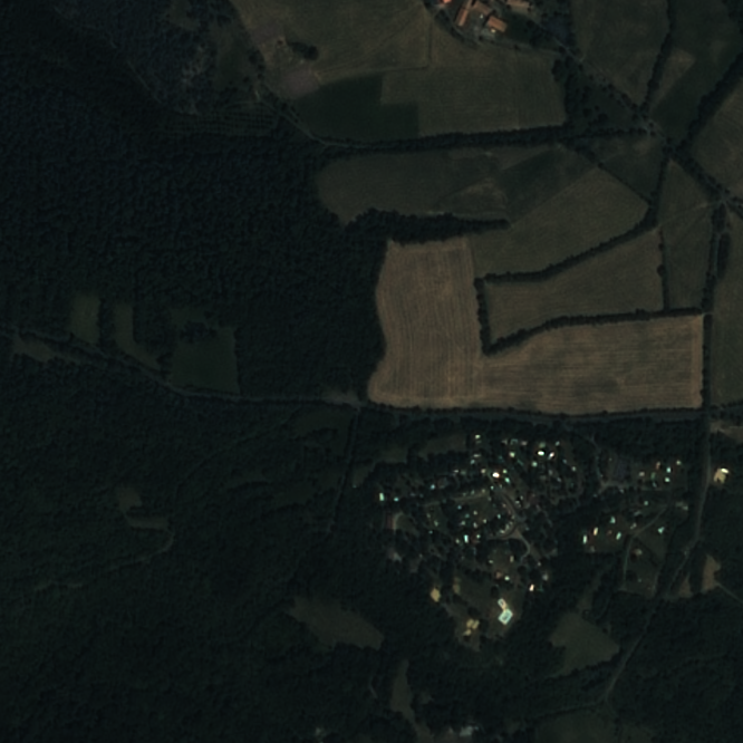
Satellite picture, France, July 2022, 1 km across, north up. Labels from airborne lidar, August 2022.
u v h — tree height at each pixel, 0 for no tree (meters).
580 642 0
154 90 15
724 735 8
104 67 10
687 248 0
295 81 0
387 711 13
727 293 0
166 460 9
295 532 14
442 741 0
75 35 6
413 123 0
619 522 0
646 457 8
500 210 0
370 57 0
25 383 13
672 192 0
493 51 0
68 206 21
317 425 0
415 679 21
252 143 10
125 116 17
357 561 14
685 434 6
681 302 0
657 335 0
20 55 12
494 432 13
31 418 9
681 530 7
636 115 7
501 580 9
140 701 20
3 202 23
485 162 0
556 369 0
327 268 12
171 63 14
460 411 9
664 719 9
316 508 11
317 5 0
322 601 0
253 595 15
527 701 20
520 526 0
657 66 11
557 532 12
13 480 9
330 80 0
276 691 19
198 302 18
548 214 0
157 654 25
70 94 24
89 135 19
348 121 0
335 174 0
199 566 12
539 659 11
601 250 7
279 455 11
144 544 7
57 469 9
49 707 18
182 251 17
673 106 0
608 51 0
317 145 11
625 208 0
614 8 0
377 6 0
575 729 0
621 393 0
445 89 0
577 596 10
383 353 10
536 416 7
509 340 10
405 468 14
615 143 0
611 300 0
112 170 29
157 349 17
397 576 11
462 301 0
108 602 17
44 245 20
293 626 19
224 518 11
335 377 10
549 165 0
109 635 26
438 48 0
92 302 0
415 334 0
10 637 12
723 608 13
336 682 15
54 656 19
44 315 12
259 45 0
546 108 0
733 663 9
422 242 8
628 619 7
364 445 14
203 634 13
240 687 15
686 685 10
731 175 0
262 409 18
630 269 0
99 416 11
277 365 11
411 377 0
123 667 25
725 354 0
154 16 11
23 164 28
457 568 7
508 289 0
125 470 9
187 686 21
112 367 17
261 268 14
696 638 11
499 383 0
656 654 7
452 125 0
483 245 0
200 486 12
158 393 13
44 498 6
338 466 12
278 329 12
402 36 0
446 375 0
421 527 10
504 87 0
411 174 0
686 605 9
